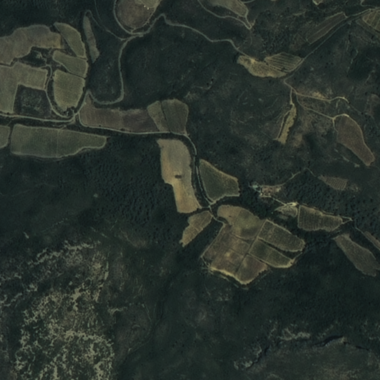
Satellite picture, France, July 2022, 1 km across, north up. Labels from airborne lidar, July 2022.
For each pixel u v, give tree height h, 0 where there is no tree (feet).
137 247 0
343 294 29
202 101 0
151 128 0
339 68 0
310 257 21
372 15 0
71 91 0
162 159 0
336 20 0
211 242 0
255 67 0
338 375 0
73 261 0
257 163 22
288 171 27
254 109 0
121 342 0
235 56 36
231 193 0
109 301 25
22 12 20
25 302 18
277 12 0
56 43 0
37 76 0
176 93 20
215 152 22
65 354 0
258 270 0
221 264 0
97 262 0
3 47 0
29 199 0
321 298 20
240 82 0
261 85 0
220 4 0
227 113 0
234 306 22
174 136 26
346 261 22
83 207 0
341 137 0
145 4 0
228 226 0
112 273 0
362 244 21
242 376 0
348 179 0
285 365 0
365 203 44
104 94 0
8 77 0
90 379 0
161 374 0
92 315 0
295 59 0
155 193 48
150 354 20
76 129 21
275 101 0
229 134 0
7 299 18
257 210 65
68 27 0
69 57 0
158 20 25
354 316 23
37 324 21
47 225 0
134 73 0
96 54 0
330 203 34
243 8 0
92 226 19
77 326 0
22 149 0
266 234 0
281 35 31
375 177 0
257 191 21
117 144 32
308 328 24
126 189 26
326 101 0
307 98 0
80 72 0
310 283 22
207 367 0
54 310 0
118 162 21
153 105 0
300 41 0
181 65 18
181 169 0
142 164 29
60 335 0
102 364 0
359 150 0
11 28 28
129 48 19
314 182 35
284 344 23
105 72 0
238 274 0
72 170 31
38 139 0
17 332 18
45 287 19
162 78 23
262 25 29
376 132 24
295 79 27
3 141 0
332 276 25
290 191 44
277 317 20
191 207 0
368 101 0
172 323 0
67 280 23
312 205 52
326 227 0
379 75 21
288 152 0
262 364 0
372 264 0
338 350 0
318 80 0
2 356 0
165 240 29
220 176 0
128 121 0
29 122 19
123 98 0
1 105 0
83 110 0
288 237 0
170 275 22
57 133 0
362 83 0
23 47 0
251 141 0
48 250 21
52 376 0
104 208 39
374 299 24
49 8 26
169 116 0
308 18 22
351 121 0
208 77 0
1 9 20
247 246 0
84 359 0
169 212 20
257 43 0
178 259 22
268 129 0
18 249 26
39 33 0
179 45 18
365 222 20
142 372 0
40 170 21
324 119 0
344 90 0
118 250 0
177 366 0
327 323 26
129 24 0
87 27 0
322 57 28
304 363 0
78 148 0
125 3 0
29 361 24
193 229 0
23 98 0
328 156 0
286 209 0
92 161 22
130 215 30
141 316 0
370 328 17
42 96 0
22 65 0
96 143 0
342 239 0
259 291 22
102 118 0
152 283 33
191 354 0
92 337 0
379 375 0
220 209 0
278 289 22
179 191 0
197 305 0
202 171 0
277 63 0
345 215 31
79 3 23
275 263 0
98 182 31
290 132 20
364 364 0
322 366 0
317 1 0
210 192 0
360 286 21
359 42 0
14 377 0
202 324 0
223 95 0
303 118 0
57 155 0
